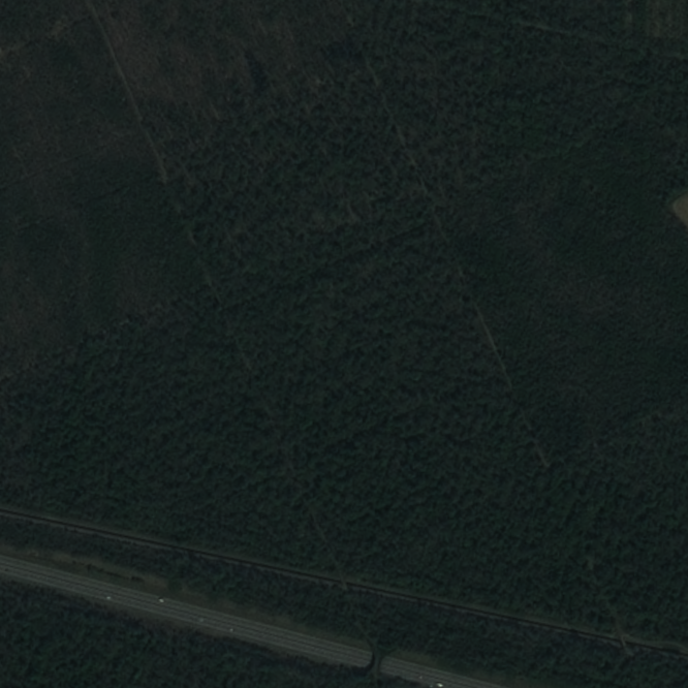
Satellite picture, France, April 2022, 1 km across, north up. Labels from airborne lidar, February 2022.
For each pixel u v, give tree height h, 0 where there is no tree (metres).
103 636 17
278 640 0
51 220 7
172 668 18
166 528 8
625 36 21
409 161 18
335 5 12
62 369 20
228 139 18
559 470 14
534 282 9
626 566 11
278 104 9
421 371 10
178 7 13
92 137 8
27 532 16
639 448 14
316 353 20
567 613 18
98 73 6
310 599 18
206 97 12
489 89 17
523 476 16
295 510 19
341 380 19
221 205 18
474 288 11
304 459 20
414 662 0
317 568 6
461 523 18
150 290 11
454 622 8
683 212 0
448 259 13
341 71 14
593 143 11
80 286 11
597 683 13
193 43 10
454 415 16
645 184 10
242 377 20
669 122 12
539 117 20
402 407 18
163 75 14
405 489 20
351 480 19
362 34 13
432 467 17
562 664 20
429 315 20
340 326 17
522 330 8
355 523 19
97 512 14
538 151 17
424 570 14
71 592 0
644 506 20
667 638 9
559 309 11
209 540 14
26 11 11
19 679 18
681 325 8
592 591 18
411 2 12
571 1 17
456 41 11
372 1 17
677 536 20
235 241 19
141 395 16
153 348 12
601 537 19
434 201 13
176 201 19
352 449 18
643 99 13
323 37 12
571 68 16
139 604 0
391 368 18
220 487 17
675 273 11
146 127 13
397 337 23
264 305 20
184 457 18
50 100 7
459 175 15
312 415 21
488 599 13
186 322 18
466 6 19
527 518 17
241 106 19
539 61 18
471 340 11
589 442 12
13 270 10
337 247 19
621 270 7
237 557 0
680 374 9
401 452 19
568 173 11
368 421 17
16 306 10
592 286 6
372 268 17
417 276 18
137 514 17
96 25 7
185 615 0
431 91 18
